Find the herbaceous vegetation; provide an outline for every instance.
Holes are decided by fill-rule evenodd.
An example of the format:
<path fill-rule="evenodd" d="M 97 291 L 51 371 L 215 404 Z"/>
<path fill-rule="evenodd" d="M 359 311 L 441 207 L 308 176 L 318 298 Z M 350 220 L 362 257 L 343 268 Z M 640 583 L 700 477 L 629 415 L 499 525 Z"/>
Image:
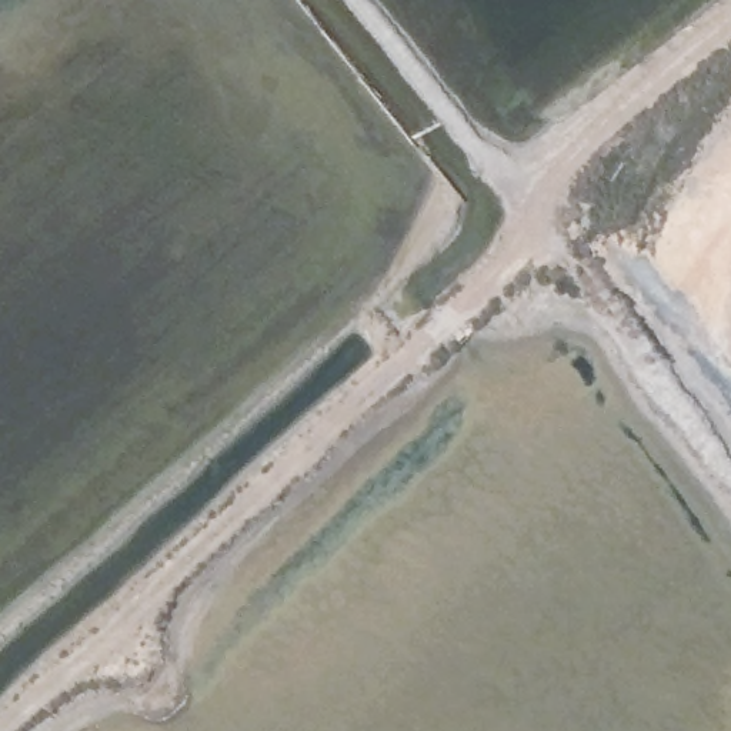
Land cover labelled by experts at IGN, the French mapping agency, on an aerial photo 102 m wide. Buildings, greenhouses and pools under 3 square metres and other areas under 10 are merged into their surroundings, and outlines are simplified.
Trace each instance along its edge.
<path fill-rule="evenodd" d="M 583 260 L 577 260 L 577 274 L 571 277 L 571 283 L 580 291 L 577 297 L 588 300 L 600 314 L 622 323 L 622 303 L 617 303 L 608 294 L 617 286 L 605 271 L 605 260 L 591 248 Z"/>
<path fill-rule="evenodd" d="M 591 203 L 574 200 L 568 194 L 568 203 L 560 206 L 554 214 L 557 234 L 568 246 L 591 226 Z"/>

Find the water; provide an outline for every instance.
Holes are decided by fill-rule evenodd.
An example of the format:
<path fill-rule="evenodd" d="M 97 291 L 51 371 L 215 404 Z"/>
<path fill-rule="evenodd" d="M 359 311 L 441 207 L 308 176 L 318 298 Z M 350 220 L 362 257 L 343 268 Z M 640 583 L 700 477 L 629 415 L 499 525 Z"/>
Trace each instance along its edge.
<path fill-rule="evenodd" d="M 617 60 L 625 71 L 645 63 L 654 49 L 660 49 L 680 26 L 685 26 L 700 9 L 705 9 L 714 0 L 377 0 L 388 11 L 388 23 L 397 23 L 431 60 L 443 91 L 460 97 L 463 117 L 488 126 L 511 143 L 525 143 L 534 134 L 540 134 L 545 128 L 543 109 L 554 103 L 563 91 L 577 86 L 588 71 L 608 60 Z"/>
<path fill-rule="evenodd" d="M 80 577 L 57 603 L 51 603 L 29 625 L 23 625 L 0 648 L 0 694 L 54 640 L 71 631 L 103 600 L 109 600 L 166 540 L 171 540 L 188 520 L 194 520 L 203 511 L 203 505 L 217 497 L 217 491 L 231 477 L 237 477 L 283 431 L 288 431 L 334 385 L 340 385 L 351 371 L 357 371 L 368 360 L 368 343 L 360 334 L 346 337 L 300 385 L 294 385 L 226 451 L 220 451 L 177 497 L 171 497 L 148 520 L 143 520 L 143 525 L 114 554 L 109 554 L 86 577 Z"/>
<path fill-rule="evenodd" d="M 260 383 L 280 374 L 297 351 L 311 346 L 320 334 L 331 334 L 351 317 L 357 317 L 360 303 L 385 277 L 405 234 L 411 231 L 411 223 L 431 186 L 428 171 L 405 143 L 394 137 L 388 123 L 357 91 L 351 77 L 334 60 L 334 54 L 320 43 L 317 34 L 311 34 L 308 23 L 291 9 L 288 0 L 0 0 L 0 614 L 23 591 L 29 591 L 46 571 L 71 557 L 80 545 L 86 545 L 109 523 L 111 514 L 131 503 L 157 474 L 177 463 L 197 440 L 214 431 Z"/>
<path fill-rule="evenodd" d="M 277 523 L 271 534 L 246 554 L 246 560 L 234 568 L 231 580 L 226 583 L 223 603 L 211 605 L 208 614 L 200 620 L 200 642 L 194 645 L 186 671 L 177 682 L 174 705 L 143 714 L 120 711 L 111 714 L 97 731 L 731 731 L 731 525 L 711 500 L 711 494 L 665 443 L 665 437 L 640 414 L 622 380 L 614 374 L 608 357 L 591 334 L 554 326 L 548 331 L 534 331 L 514 340 L 485 340 L 471 340 L 474 346 L 468 348 L 468 354 L 454 360 L 454 366 L 434 385 L 428 385 L 403 417 L 397 417 L 388 428 L 383 428 L 366 445 L 360 445 L 328 480 L 323 480 L 314 488 L 311 497 L 306 497 L 294 508 L 288 520 Z"/>
<path fill-rule="evenodd" d="M 460 234 L 428 263 L 414 268 L 414 274 L 405 280 L 405 294 L 397 306 L 403 317 L 420 308 L 445 306 L 460 291 L 460 274 L 465 274 L 483 257 L 483 251 L 488 248 L 503 223 L 503 206 L 497 194 L 480 177 L 474 177 L 465 151 L 448 137 L 445 128 L 440 128 L 425 137 L 425 148 L 460 197 Z"/>
<path fill-rule="evenodd" d="M 417 131 L 420 126 L 431 123 L 434 111 L 403 80 L 403 74 L 388 60 L 383 46 L 366 31 L 366 26 L 343 0 L 303 0 L 320 20 L 320 26 L 360 69 L 368 86 L 394 111 L 405 131 Z"/>

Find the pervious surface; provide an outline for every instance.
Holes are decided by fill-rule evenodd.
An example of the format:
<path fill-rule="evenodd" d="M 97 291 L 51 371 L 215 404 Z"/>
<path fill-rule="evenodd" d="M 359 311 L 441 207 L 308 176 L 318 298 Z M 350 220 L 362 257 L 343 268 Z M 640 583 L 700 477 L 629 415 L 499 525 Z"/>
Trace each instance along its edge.
<path fill-rule="evenodd" d="M 591 243 L 591 248 L 605 260 L 605 271 L 617 286 L 634 297 L 637 311 L 648 320 L 648 326 L 674 354 L 662 363 L 654 354 L 651 343 L 645 337 L 631 337 L 631 326 L 622 323 L 600 314 L 588 300 L 577 297 L 560 294 L 554 286 L 528 286 L 483 328 L 485 340 L 514 340 L 534 331 L 548 331 L 554 326 L 591 334 L 608 357 L 614 374 L 622 380 L 640 414 L 665 437 L 665 443 L 711 494 L 711 500 L 731 525 L 731 103 L 717 117 L 714 128 L 702 137 L 694 154 L 694 166 L 674 177 L 668 220 L 657 237 L 657 246 L 637 248 L 631 240 L 603 234 Z"/>
<path fill-rule="evenodd" d="M 111 714 L 120 711 L 143 714 L 174 705 L 177 682 L 186 671 L 194 645 L 200 642 L 200 620 L 208 614 L 211 605 L 223 603 L 226 583 L 231 580 L 234 568 L 246 560 L 246 554 L 271 534 L 277 523 L 288 520 L 294 508 L 306 497 L 311 497 L 314 488 L 323 480 L 328 480 L 360 445 L 366 445 L 383 428 L 388 428 L 397 417 L 403 417 L 428 385 L 434 385 L 454 366 L 454 360 L 448 357 L 445 366 L 425 374 L 423 366 L 431 360 L 431 354 L 443 343 L 468 337 L 471 320 L 523 268 L 560 266 L 571 277 L 577 274 L 577 260 L 568 251 L 568 246 L 557 234 L 554 214 L 560 206 L 568 203 L 568 194 L 574 177 L 597 151 L 608 154 L 614 148 L 614 134 L 628 120 L 634 120 L 642 109 L 651 109 L 660 100 L 660 94 L 665 94 L 677 80 L 694 74 L 705 57 L 731 43 L 731 0 L 714 0 L 705 9 L 700 9 L 685 26 L 680 26 L 660 49 L 654 49 L 645 63 L 625 71 L 617 60 L 608 60 L 588 71 L 577 86 L 563 91 L 554 103 L 543 109 L 545 128 L 540 134 L 534 134 L 525 143 L 511 143 L 488 126 L 463 117 L 460 97 L 443 91 L 431 60 L 397 23 L 388 23 L 388 11 L 377 0 L 343 0 L 366 26 L 366 31 L 383 46 L 388 60 L 403 74 L 403 80 L 434 111 L 431 123 L 420 126 L 417 131 L 405 131 L 394 111 L 368 86 L 360 69 L 320 26 L 320 20 L 303 0 L 288 0 L 291 9 L 308 23 L 311 34 L 317 34 L 320 43 L 334 54 L 334 60 L 351 77 L 357 91 L 388 123 L 394 137 L 405 143 L 428 171 L 431 186 L 411 223 L 411 231 L 405 234 L 385 277 L 360 303 L 357 317 L 351 317 L 331 334 L 320 334 L 311 346 L 297 351 L 280 374 L 260 383 L 214 431 L 197 440 L 177 463 L 157 474 L 131 503 L 111 514 L 109 523 L 86 545 L 80 545 L 71 557 L 46 571 L 29 591 L 23 591 L 0 614 L 0 648 L 23 625 L 29 625 L 51 603 L 57 603 L 80 577 L 86 577 L 109 554 L 114 554 L 143 525 L 143 520 L 148 520 L 171 497 L 177 497 L 220 451 L 226 451 L 294 385 L 300 385 L 346 337 L 360 334 L 368 343 L 368 360 L 357 371 L 351 371 L 340 385 L 334 385 L 288 431 L 283 431 L 237 477 L 231 477 L 217 491 L 217 497 L 203 505 L 203 511 L 194 520 L 188 520 L 171 540 L 166 540 L 109 600 L 103 600 L 71 631 L 54 640 L 0 694 L 0 731 L 20 731 L 34 711 L 49 705 L 60 691 L 71 688 L 80 680 L 140 677 L 143 671 L 148 671 L 148 665 L 160 654 L 157 614 L 163 611 L 180 580 L 186 580 L 191 588 L 183 594 L 180 608 L 171 620 L 177 657 L 151 682 L 151 688 L 143 694 L 86 691 L 74 702 L 60 708 L 60 714 L 43 722 L 49 731 L 97 731 Z M 460 274 L 460 291 L 445 306 L 420 308 L 403 317 L 397 306 L 405 294 L 405 280 L 414 274 L 414 268 L 428 263 L 460 234 L 460 197 L 425 148 L 425 137 L 440 128 L 445 128 L 448 137 L 465 151 L 474 177 L 480 177 L 497 194 L 503 206 L 503 223 L 488 248 L 483 251 L 483 257 L 465 274 Z"/>

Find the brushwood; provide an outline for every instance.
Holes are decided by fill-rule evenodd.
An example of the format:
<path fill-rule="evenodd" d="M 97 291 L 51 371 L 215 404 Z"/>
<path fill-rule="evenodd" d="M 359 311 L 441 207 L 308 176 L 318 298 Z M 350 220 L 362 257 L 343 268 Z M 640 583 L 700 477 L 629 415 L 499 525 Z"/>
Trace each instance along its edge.
<path fill-rule="evenodd" d="M 657 246 L 657 237 L 668 220 L 674 177 L 694 166 L 694 154 L 702 137 L 714 128 L 717 117 L 731 103 L 731 43 L 705 57 L 694 74 L 677 80 L 665 94 L 660 94 L 660 100 L 651 109 L 642 109 L 634 120 L 628 120 L 614 134 L 614 148 L 608 154 L 597 151 L 574 177 L 568 194 L 574 200 L 591 203 L 591 226 L 568 246 L 568 251 L 577 260 L 583 260 L 591 248 L 591 243 L 603 234 L 631 240 L 637 248 Z"/>
<path fill-rule="evenodd" d="M 560 266 L 523 268 L 471 320 L 468 337 L 443 343 L 431 354 L 431 360 L 423 366 L 425 374 L 445 366 L 448 357 L 454 360 L 468 354 L 468 348 L 474 346 L 471 340 L 485 340 L 483 328 L 528 286 L 554 286 L 560 294 L 577 297 L 580 291 L 571 283 L 571 277 Z"/>
<path fill-rule="evenodd" d="M 60 714 L 60 708 L 74 702 L 86 691 L 143 694 L 151 688 L 151 682 L 177 657 L 171 620 L 180 608 L 183 594 L 191 588 L 186 580 L 180 580 L 163 611 L 157 614 L 160 654 L 148 665 L 148 671 L 143 671 L 140 677 L 80 680 L 71 688 L 60 691 L 49 705 L 34 711 L 20 731 L 49 731 L 43 722 Z"/>
<path fill-rule="evenodd" d="M 631 337 L 645 337 L 651 343 L 654 354 L 662 363 L 674 354 L 648 326 L 648 320 L 637 311 L 634 297 L 617 286 L 608 294 L 617 303 L 622 303 L 622 323 L 631 326 Z"/>

